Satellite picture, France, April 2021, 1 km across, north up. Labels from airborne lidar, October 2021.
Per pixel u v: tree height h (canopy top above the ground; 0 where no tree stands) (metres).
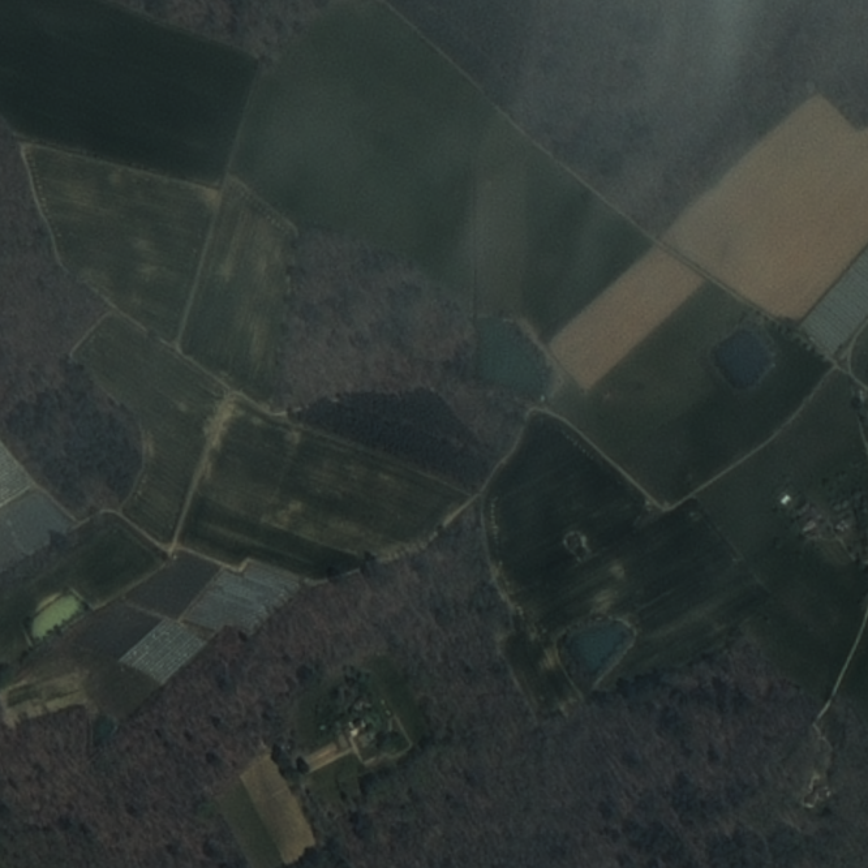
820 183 0
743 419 0
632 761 16
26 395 16
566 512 0
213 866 22
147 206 0
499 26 14
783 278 0
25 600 0
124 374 0
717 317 0
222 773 12
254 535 0
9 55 0
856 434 0
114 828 14
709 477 0
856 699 0
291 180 0
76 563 0
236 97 0
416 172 0
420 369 17
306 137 0
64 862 17
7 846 20
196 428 0
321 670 18
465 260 0
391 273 18
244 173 0
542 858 23
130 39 0
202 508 0
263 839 0
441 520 0
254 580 0
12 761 15
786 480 7
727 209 0
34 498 0
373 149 0
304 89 0
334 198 0
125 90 0
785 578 0
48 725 20
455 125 0
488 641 23
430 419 16
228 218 0
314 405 17
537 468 0
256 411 0
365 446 11
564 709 0
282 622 11
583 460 0
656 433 0
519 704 25
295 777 16
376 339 17
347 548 0
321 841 19
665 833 21
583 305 0
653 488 0
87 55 0
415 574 20
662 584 0
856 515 9
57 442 22
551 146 12
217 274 0
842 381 0
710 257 0
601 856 10
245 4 16
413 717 0
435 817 20
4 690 15
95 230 0
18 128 0
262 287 0
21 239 20
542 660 0
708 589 0
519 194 0
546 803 23
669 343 0
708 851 19
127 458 20
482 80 14
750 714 25
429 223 0
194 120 0
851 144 0
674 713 17
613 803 17
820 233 0
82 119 0
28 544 0
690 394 0
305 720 0
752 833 16
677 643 0
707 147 12
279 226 0
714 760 13
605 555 0
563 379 0
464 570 22
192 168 0
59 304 16
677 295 0
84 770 17
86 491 15
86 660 0
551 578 0
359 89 0
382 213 0
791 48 12
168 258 0
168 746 14
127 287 0
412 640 15
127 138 0
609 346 0
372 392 17
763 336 10
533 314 0
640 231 10
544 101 14
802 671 0
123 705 0
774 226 0
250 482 0
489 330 0
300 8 9
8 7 0
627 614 0
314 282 19
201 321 0
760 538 0
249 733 16
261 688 14
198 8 16
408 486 0
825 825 16
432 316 8
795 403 0
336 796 0
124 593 0
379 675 0
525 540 0
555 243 0
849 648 0
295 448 0
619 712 17
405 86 0
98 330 0
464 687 23
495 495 0
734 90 18
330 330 22
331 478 0
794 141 0
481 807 23
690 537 0
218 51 0
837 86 11
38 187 0
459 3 14
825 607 0
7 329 9
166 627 0
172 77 0
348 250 18
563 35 18
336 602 11
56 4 0
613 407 0
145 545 0
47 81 0
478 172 0
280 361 15
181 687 10
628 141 21
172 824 19
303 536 0
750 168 0
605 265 0
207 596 0
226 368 0
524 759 25
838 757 11
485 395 13
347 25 0
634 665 0
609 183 19
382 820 18
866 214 0
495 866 28
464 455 12
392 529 0
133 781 13
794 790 17
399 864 21
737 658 14
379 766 0
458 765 26
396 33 0
